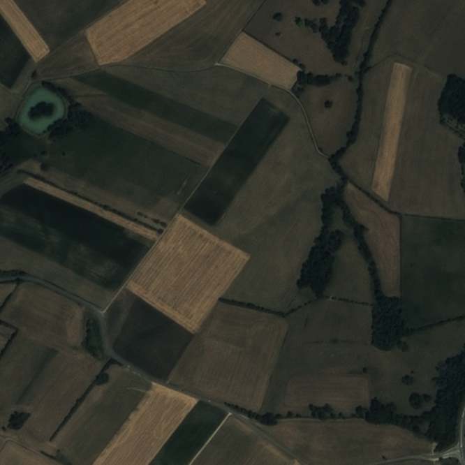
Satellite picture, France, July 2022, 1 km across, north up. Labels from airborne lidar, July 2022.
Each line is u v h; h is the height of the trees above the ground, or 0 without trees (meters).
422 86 0
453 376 16
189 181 0
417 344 0
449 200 0
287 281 0
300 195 0
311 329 0
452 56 0
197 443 0
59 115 0
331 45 13
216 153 0
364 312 0
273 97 0
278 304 0
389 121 0
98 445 0
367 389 0
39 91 0
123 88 0
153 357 0
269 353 0
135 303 0
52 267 0
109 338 0
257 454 0
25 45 0
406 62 0
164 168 0
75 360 0
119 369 0
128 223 0
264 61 0
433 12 0
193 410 0
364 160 0
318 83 15
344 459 0
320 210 0
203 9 0
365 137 0
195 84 0
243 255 0
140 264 0
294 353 0
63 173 0
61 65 0
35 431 0
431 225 0
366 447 0
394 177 0
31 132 0
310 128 0
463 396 8
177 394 0
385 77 0
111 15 0
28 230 0
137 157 0
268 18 0
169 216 0
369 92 0
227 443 0
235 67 0
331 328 0
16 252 0
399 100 0
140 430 0
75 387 0
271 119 0
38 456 0
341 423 0
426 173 0
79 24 0
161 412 0
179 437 0
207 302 0
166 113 0
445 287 0
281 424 0
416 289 0
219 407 0
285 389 0
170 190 0
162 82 0
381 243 0
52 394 0
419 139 0
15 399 0
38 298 0
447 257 0
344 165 0
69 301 0
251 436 0
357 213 0
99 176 0
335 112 0
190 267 0
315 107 0
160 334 0
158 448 0
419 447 0
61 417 0
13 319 0
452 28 0
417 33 0
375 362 0
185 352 0
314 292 13
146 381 0
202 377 0
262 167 0
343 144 0
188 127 0
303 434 0
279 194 0
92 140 0
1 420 0
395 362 0
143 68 0
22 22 0
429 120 0
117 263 0
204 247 0
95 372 0
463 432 0
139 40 0
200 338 0
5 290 0
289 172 0
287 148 0
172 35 0
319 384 0
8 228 0
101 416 0
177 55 0
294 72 0
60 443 0
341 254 0
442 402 14
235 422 0
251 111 0
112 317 0
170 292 0
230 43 0
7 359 0
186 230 0
